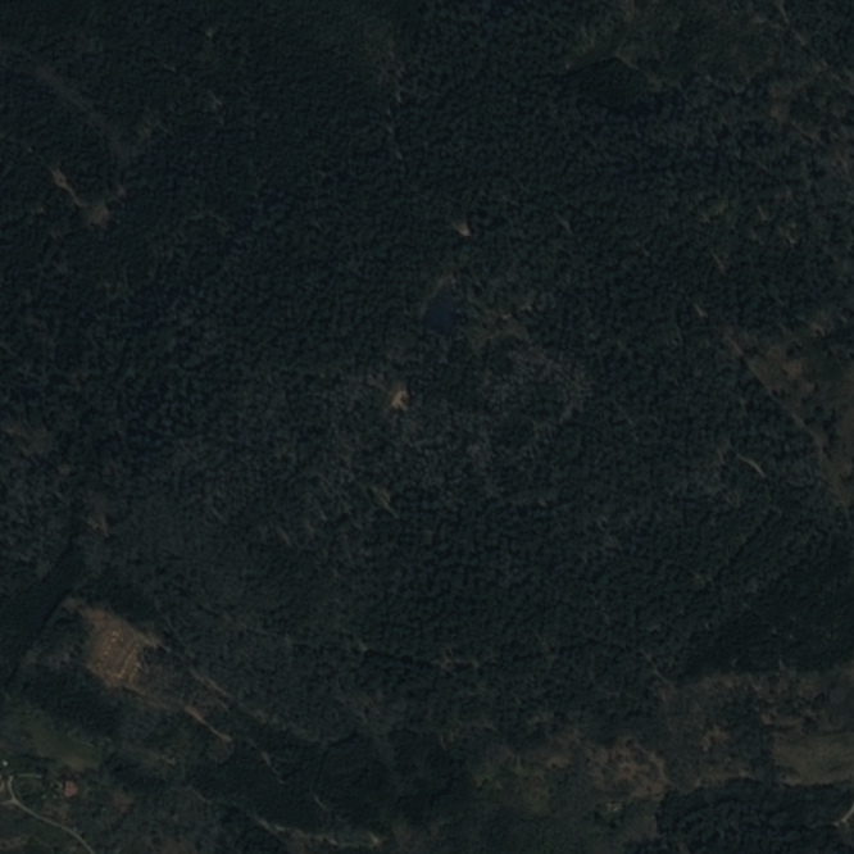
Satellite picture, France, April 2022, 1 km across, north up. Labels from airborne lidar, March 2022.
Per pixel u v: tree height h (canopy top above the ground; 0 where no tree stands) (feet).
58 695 88
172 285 45
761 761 44
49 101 63
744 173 100
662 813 40
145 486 72
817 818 66
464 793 107
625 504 60
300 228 80
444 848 41
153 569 40
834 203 83
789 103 25
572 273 74
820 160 88
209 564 55
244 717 35
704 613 93
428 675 107
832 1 105
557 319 77
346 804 37
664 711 85
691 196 50
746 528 86
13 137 59
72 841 32
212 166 66
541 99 106
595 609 53
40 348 59
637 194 65
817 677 22
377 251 76
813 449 91
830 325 97
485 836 39
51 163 65
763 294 84
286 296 54
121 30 50
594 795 47
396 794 42
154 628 66
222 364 87
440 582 88
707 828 112
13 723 66
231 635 79
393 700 87
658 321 51
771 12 77
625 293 96
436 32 23
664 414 82
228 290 65
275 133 54
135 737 97
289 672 82
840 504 80
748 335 85
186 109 41
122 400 59
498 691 103
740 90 23
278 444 62
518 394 69
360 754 91
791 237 79
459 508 49
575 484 70
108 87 51
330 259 39
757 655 28
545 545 51
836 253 93
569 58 98
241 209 36
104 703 87
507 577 67
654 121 116
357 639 74
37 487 94
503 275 70
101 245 28
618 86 59
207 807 43
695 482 61
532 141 74
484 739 74
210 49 52
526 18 89
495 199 69
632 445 63
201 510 55
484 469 81
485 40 85
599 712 50
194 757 45
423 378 21
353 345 55
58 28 38
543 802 0
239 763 58
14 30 52
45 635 81
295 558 64
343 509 48
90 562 76
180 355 37
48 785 18
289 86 44
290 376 37
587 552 63
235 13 56
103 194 52
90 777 54
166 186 35
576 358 82
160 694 87
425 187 57
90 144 50
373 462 92
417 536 83
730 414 41
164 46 54
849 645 35
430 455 83
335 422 82
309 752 59
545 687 80
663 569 82
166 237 21
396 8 27
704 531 50
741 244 65
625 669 85
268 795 58
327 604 38
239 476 78
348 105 39
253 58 54
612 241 68
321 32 26
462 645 87
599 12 74
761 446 85
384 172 75
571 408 75
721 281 74
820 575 63
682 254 59
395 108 36
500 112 81
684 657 65
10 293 58
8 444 105
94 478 50
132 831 54
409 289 61
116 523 31
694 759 61
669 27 28
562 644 79
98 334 77
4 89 64
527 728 64
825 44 104
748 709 22
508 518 93
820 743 0
